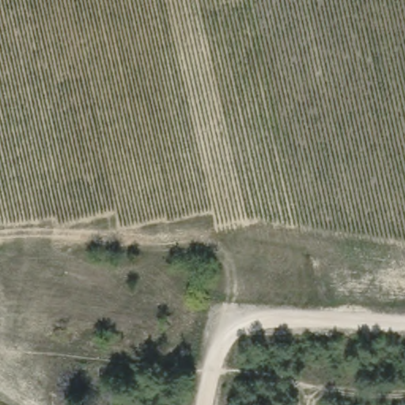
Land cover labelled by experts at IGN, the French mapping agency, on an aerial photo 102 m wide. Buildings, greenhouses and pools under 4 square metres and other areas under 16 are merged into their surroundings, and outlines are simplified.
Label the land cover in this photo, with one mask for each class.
<instances>
[{"label":"vineyard","instance_id":"1","mask_svg":"<svg viewBox=\"0 0 405 405\"><path fill-rule=\"evenodd\" d=\"M259 223L337 239L369 240L377 244L405 248V0H0V244L14 239H51L54 244L60 245L87 244L90 240H119L120 245L134 244L139 247H172L190 245L191 242L204 244L215 231Z\"/></svg>","mask_w":405,"mask_h":405},{"label":"herbaceous vegetation","instance_id":"2","mask_svg":"<svg viewBox=\"0 0 405 405\"><path fill-rule=\"evenodd\" d=\"M204 244L214 247L218 259L223 264L225 302L302 310L358 305L369 308L372 312L405 315V248L377 244L369 240L337 239L259 223L215 231ZM115 266L109 263H92L87 252V244L60 245L54 244L51 239H14L0 244V405H46L43 396L49 378L43 369V356H52V351H33V348L38 345V340L46 339L54 332L52 324L55 321L79 313L78 304H71L66 297L57 299L54 297L55 291L47 288L52 282L79 286L95 285L101 286L104 290L115 285L112 269ZM239 370L226 367V373L221 375L218 383L220 386L214 405H226L231 381Z\"/></svg>","mask_w":405,"mask_h":405},{"label":"agricultural land","instance_id":"3","mask_svg":"<svg viewBox=\"0 0 405 405\"><path fill-rule=\"evenodd\" d=\"M87 252L92 263H109L115 266L112 269L115 285L104 290L101 286L95 285L79 286L52 282L47 288L55 291L54 297L57 299L66 297L71 304H78L79 313L55 321L52 324L54 332L46 339L38 340V345L33 348V351H52V356H43V369L49 378L43 396L46 405H142L141 402L127 396L131 389L138 386L136 377L139 375L155 381V384H171L177 378L196 372V367L202 364L207 353L202 348V339L206 329L207 313L210 307L225 302L223 264L218 259L214 247L204 244L191 242L190 245L172 247H139L134 244L120 245L119 240H90L87 244Z\"/></svg>","mask_w":405,"mask_h":405},{"label":"coniferous trees","instance_id":"4","mask_svg":"<svg viewBox=\"0 0 405 405\"><path fill-rule=\"evenodd\" d=\"M226 367L239 370L231 381L226 405H297V381L323 384V396L316 405H405V334L381 331L378 326L373 329L362 326L354 334H345L339 329H329L327 334H318L308 329L302 334H293L290 327L286 326H278L275 329L261 327L252 334L237 335L236 342L226 356ZM138 386L131 389L127 396L141 402L142 405H195L199 384L196 372L177 378L171 384H155V381L139 375L136 377Z\"/></svg>","mask_w":405,"mask_h":405},{"label":"pervious surface","instance_id":"5","mask_svg":"<svg viewBox=\"0 0 405 405\"><path fill-rule=\"evenodd\" d=\"M278 326H286L290 327L293 334H302L308 329L318 334H327L329 329H339L345 334H354L362 326L373 329L378 326L381 331L405 334V315L372 312L369 308L358 305L302 310L225 302L210 307L207 313L206 329L202 339V348L207 353L202 364L196 367V372L199 384L195 405H214L220 386L218 383L221 375L226 373V356L236 342L237 335L252 334L261 327L275 329ZM297 405H316L323 396V384L297 381Z\"/></svg>","mask_w":405,"mask_h":405}]
</instances>
